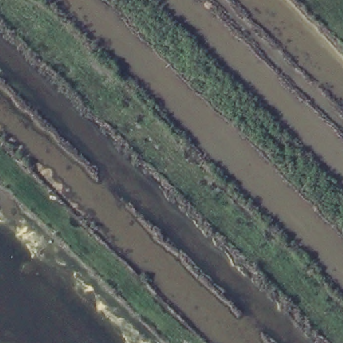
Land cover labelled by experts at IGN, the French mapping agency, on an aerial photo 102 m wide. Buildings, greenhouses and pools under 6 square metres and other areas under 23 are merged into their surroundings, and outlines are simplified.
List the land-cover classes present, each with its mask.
<instances>
[{"label":"water","instance_id":"1","mask_svg":"<svg viewBox=\"0 0 343 343\"><path fill-rule=\"evenodd\" d=\"M47 7L54 4L60 17H66L88 40L95 42L96 48L100 50V58L113 60L117 64L118 75L122 79L133 80L135 86L142 88L146 98L154 102L155 117L166 123L171 131L178 135L184 137L204 161L216 167L222 180L233 184L234 192L241 194L244 200H251L257 212L267 218L271 229L285 237L288 248H292L296 253L304 252L308 259L314 261L323 279L334 291L343 296V238L310 208L304 198L297 196L295 190L284 184L283 178L273 170V167L238 135L220 114L206 105L196 92L190 90L188 84L178 79L173 68L159 59L143 42L141 36L131 31L113 8L103 0H46ZM167 16L188 33L196 46L204 50L205 55L212 59L224 74H228L230 80L241 84L245 94L251 98L253 106L271 115L280 133H287L299 142L301 155L310 154L314 158L316 169L322 170L326 176L334 177L339 188L343 190V138H336L330 127L320 122L291 92L281 87L271 70L273 68L285 76L308 99L314 109L319 110L328 121L334 123L343 137V59L340 58L335 44L316 31L314 25L305 20L287 0H232L244 9L252 23L259 25L265 35L277 44L276 50L272 51L267 44L257 42L256 33H253L243 19L228 7L230 0H210V4L217 5L224 12L221 16L222 21H230L237 31L255 42L264 56L263 59L255 52L249 51L244 43L234 39L228 29L196 0H157ZM0 79L11 88L13 94L19 96L29 110L39 114L60 138L70 143L76 153L82 155L98 174V180L91 178L82 165L56 145L50 134L39 129L32 118L17 109L11 98L0 90V127L7 125L9 133L16 134L19 141L27 143L28 150L38 158V165L50 169L54 180L68 188V192H75L82 197L83 205L70 209L72 214L86 221L88 229L113 251L115 256L125 261L137 275L145 276L146 283L155 295L165 301L174 314L180 316L186 326L205 343H316L295 326V316L289 312L284 314L283 311H279V299L269 300L267 293L260 291L253 284L252 273L247 267H232L233 255L229 251L228 249H221L217 245V240L204 236L196 220L182 212L177 201L166 197L165 189L158 180L151 176L145 167L133 165L129 155L117 149L114 139L94 118L80 114L74 103L59 91L58 84L52 83L46 72L29 62L24 52L17 48L16 44L8 42L4 33L0 32ZM115 197H121L133 205L143 220L157 228L162 234L163 241L177 251L184 252L190 265L196 267L197 272L225 299L232 301L240 315H233L176 256L161 247L135 220L129 210L118 209ZM20 220L27 222L29 230L43 237V243L39 245L35 257H31V253L16 237L17 229H21ZM96 295L100 296L102 303L115 316L133 324L143 339L149 340L150 343H159L123 305L110 296L92 276L7 192L0 189V343H125L121 328L96 310Z\"/></svg>","mask_w":343,"mask_h":343},{"label":"herbaceous vegetation","instance_id":"2","mask_svg":"<svg viewBox=\"0 0 343 343\"><path fill-rule=\"evenodd\" d=\"M0 12L15 25L17 40H23L29 50L38 51L43 56V62L63 78L82 100L83 105L87 106L90 103L96 118L109 119L107 123L113 127L115 134L121 135L122 139H130L129 147H133L138 161L145 158V167L151 176L158 180L159 177L165 178L186 202L200 209L198 213L201 217L205 216L212 222V232L229 238L228 249L229 251L232 248H240L252 264H257V271L263 273L265 280L275 287V292H281L293 304H299L297 308L300 315L307 314L311 319V326L315 324L318 335L326 334L334 343H343V307L331 297H327L326 300L318 295L319 283L312 277L316 273L314 269L307 268V265L304 268H297L299 265L292 259L285 261L279 248L273 247L257 230L252 229V217L244 209L237 212L233 205L226 204L216 192H212L208 185L213 184L212 180L202 177L204 169L189 162L188 158H185V151L174 153L171 143L176 141L178 135L171 131L166 123L155 117L154 102L146 98L142 88L135 86L133 80L122 79L118 75L117 64L113 60L100 58V50L96 48L95 42L88 40L66 17H60L54 4L47 7L46 0H0ZM113 8L131 31L141 36L143 42L159 59L173 68L178 79L188 84L190 90L196 92L206 105L220 114L238 135L273 167V170L283 178L284 184L295 190L297 196L304 198L310 208L343 238V190L339 188L334 177L326 176L322 170L316 169L314 158L310 154L301 155L299 142L287 133H280L271 115L253 106L251 98L245 94L241 84L230 80L228 74H224L212 59L205 55L204 50L196 46L188 33L167 16L157 0H103ZM305 20L314 25L316 31L335 44L340 58L343 59V0H287ZM0 189L7 192L92 276L100 272L107 280H113L125 297L123 305L159 343H205L186 326L180 316L174 314L165 301L155 295L146 283L145 276L137 275L125 261L115 256L113 251L88 229L86 221L72 214L70 209L40 182L32 173L27 159L13 150L12 145L5 142L0 135Z\"/></svg>","mask_w":343,"mask_h":343},{"label":"brushwood","instance_id":"3","mask_svg":"<svg viewBox=\"0 0 343 343\"><path fill-rule=\"evenodd\" d=\"M228 29L234 39L244 43L249 51L255 52L263 59L264 56L255 42L237 31L230 21H222L221 16L224 12L217 5L210 4V0H196ZM228 7L243 19L253 33H256L257 42L267 44L272 51L276 50L277 44L265 35L259 25L252 23L244 9L232 0H230ZM0 32L4 33L8 42L16 44L17 48L24 52L29 62L46 72L52 83L58 84L59 91L74 103L80 114L94 118L114 139L117 149L129 155L133 165L145 167V158L138 161L133 147H129L130 139H122L121 135L115 134L113 127L107 123L109 119L96 118L90 103L87 106L83 105L82 100L63 78L43 62V56L38 51L29 50L23 40H17L15 25L0 12ZM281 87L291 92L320 122L330 127L336 138H343V137L334 123L328 121L319 110L314 109L308 99L285 76L273 68L271 70ZM0 90L11 98L17 109L32 118L39 129L50 134L56 145L82 165L91 178L98 180V174L82 155L76 153L70 143L60 138L39 114L29 110L19 96L13 94L11 88L0 79ZM174 153L185 151V158H188L189 162L204 169L202 177L212 180L213 184L208 185L212 192H216L226 204L233 205L237 212L244 209L252 217V229L257 230L273 247L279 248L285 261L292 259L299 265L297 268H304L307 265V268L314 269L316 273L312 277L319 283L318 295L326 300L327 297H331L343 307V296L334 291L323 279L314 261L308 259L304 252L296 253L292 248H288L285 237L271 229L267 218L257 212L251 200H244L241 194L234 192L233 184L222 180L216 167L204 161L184 137L178 135L176 141L171 143ZM165 189L166 197L177 201L182 212L196 220L204 236L217 240V245L221 249H228L229 238L212 232V222L205 216L201 217L198 213L200 209L186 202L165 178L159 177L158 180ZM118 209L129 210L135 220L161 247L176 256L233 315H240L232 301L225 299L197 272L196 267L190 265L184 252L177 251L163 241L162 234L157 228L143 220L133 205L121 197H115ZM233 255L232 267H247L252 273L253 284L260 291L267 293L269 300L279 299V311H283L284 314L289 312L295 316V326L316 343H334L326 334L318 335L315 324L311 326V319L307 314L300 315L297 308L299 304H293L281 292H275V287L265 280L263 273L257 271V264H252L240 248H232L229 251ZM110 296L123 305L125 297L113 280H107L100 272L92 276Z\"/></svg>","mask_w":343,"mask_h":343},{"label":"bare soil","instance_id":"4","mask_svg":"<svg viewBox=\"0 0 343 343\"><path fill-rule=\"evenodd\" d=\"M0 135L5 142L12 145L13 150L27 159L32 173L40 182L70 209L83 205L82 197L75 192H68V188L54 180L50 169L38 165V158L28 150L27 143L19 141L16 134L9 133L7 125L0 127ZM21 229H17L16 237L31 253V257H35L39 245L43 243V237L29 230L27 222L20 220ZM96 310L121 328L125 343H150L149 340L143 339L133 324L115 316L102 303L100 296L96 295Z\"/></svg>","mask_w":343,"mask_h":343}]
</instances>
